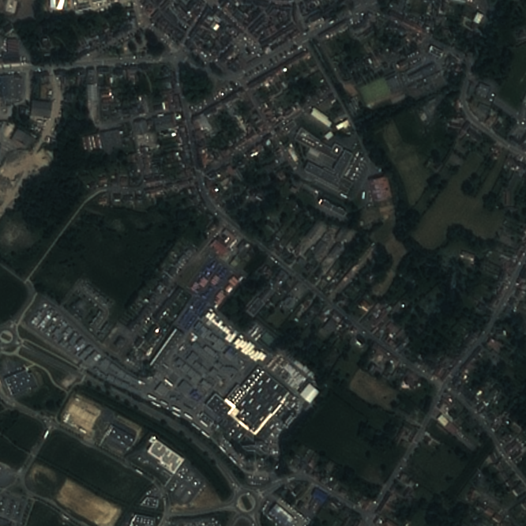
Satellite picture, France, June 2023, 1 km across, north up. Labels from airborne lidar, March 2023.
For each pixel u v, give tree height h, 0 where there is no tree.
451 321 0
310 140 0
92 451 0
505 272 0
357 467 0
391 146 0
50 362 0
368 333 0
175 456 0
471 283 17
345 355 13
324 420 0
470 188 20
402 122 0
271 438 0
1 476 0
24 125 6
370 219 0
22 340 0
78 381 0
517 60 0
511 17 8
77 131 20
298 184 0
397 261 0
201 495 0
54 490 0
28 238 0
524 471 0
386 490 0
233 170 0
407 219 19
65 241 8
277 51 0
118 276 0
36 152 0
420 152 0
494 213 0
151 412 0
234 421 0
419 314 15
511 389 16
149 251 0
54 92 0
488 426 0
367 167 0
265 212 21
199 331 0
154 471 0
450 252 0
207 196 0
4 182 0
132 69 0
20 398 0
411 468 0
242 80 0
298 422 14
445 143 0
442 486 0
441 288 9
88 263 0
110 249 0
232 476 0
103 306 0
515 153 0
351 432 0
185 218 18
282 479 0
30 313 0
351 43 6
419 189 0
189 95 17
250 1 0
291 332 15
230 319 11
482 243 20
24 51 0
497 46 32
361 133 13
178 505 0
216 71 7
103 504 0
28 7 0
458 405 0
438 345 13
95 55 0
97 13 10
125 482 0
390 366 13
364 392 0
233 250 0
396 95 0
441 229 0
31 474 0
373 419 0
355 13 0
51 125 0
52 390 0
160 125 0
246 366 0
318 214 12
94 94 0
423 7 0
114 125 0
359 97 0
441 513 18
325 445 0
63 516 0
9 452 0
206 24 0
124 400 0
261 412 0
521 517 0
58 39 0
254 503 0
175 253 0
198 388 0
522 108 0
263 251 0
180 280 0
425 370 0
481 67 15
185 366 0
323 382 13
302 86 12
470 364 0
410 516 9
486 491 0
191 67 20
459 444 0
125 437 0
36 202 11
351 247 20
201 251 0
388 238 0
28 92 0
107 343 0
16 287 0
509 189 0
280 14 0
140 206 0
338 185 0
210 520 0
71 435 0
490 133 0
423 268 10
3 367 0
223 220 0
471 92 0
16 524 0
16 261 0
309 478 0
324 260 0
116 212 0
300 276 0
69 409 0
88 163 14
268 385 0
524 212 14
